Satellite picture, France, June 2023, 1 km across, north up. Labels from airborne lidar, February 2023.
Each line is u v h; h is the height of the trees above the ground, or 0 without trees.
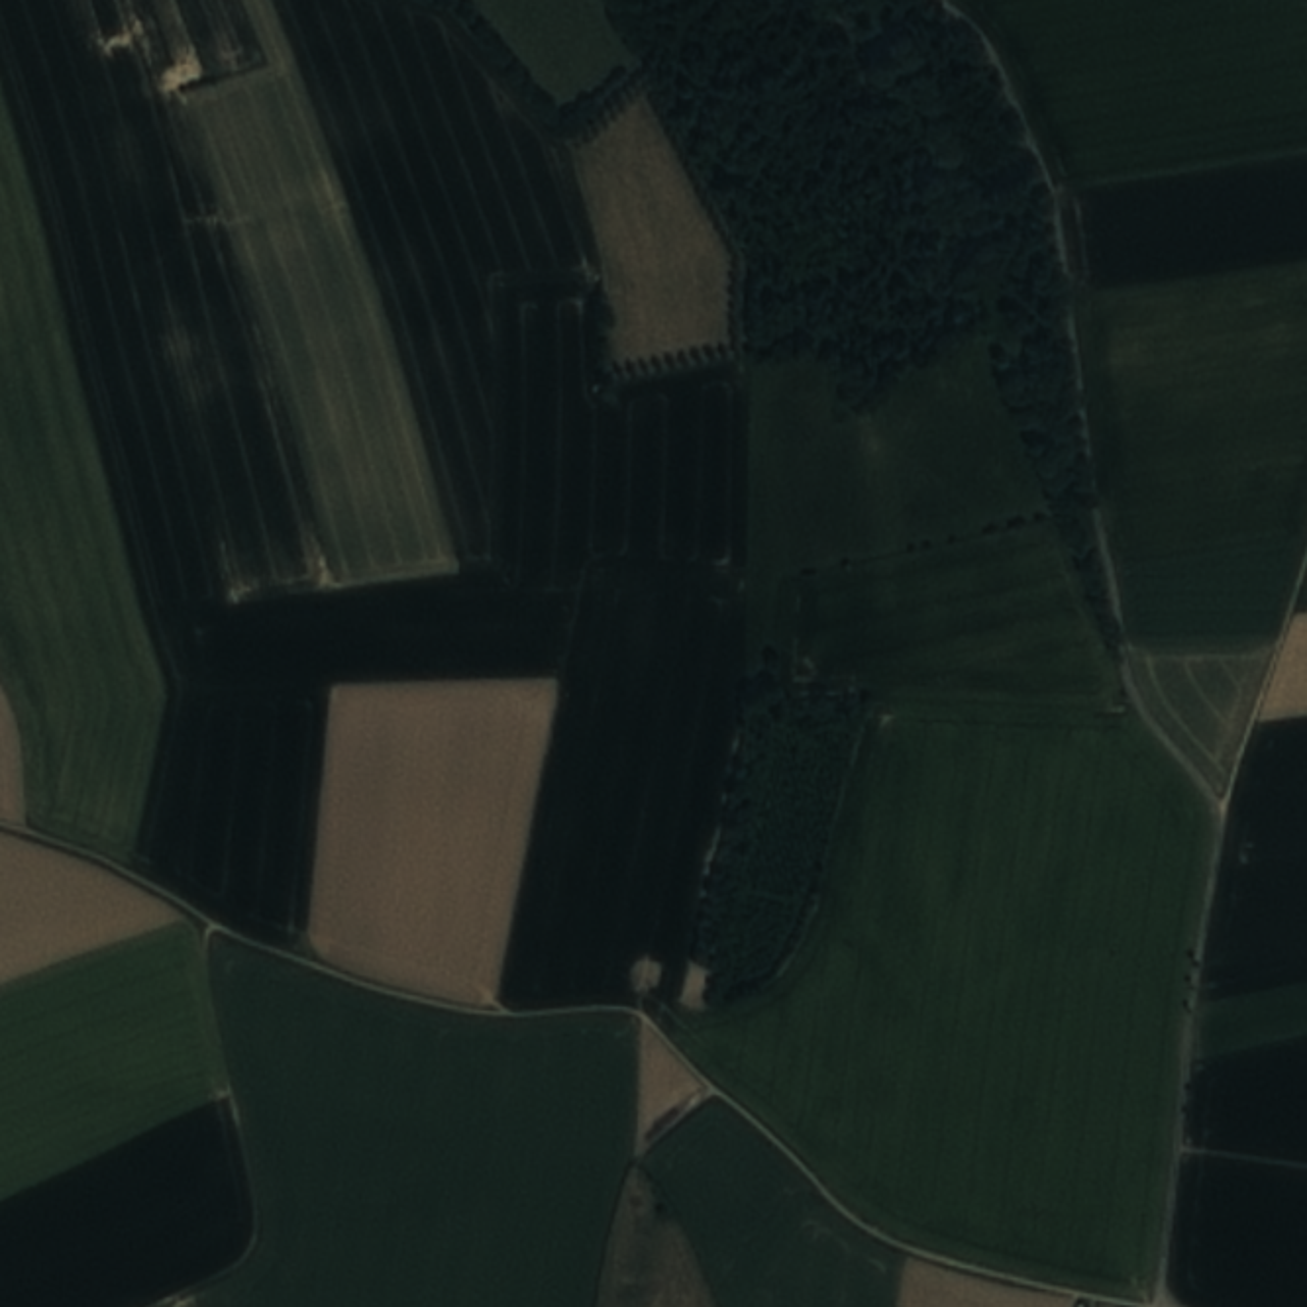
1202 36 0
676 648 0
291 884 0
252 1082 0
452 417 0
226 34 0
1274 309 0
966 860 0
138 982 0
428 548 0
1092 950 0
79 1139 0
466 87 0
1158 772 0
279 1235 0
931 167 31
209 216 0
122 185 0
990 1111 0
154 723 0
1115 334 0
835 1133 0
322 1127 0
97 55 0
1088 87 0
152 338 0
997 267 24
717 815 0
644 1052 0
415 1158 0
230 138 0
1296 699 0
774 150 22
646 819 0
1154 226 0
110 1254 0
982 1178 0
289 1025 0
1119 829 0
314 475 0
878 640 0
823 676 0
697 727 0
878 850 0
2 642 0
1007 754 0
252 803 0
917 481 0
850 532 0
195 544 0
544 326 0
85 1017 0
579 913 0
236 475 0
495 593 0
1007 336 0
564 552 0
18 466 0
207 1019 0
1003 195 28
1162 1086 0
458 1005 0
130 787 0
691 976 0
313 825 0
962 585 0
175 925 0
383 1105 0
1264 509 0
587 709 0
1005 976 0
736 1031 0
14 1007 0
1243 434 0
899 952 0
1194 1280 0
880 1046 0
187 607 0
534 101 12
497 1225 0
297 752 0
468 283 0
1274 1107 0
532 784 0
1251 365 0
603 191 0
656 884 0
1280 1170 0
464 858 0
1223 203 0
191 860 0
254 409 0
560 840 0
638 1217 0
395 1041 0
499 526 0
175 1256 0
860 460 0
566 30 0
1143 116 0
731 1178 0
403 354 0
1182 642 0
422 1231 0
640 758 0
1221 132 0
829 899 0
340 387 0
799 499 0
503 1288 0
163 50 0
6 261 0
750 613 0
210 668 0
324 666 0
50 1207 0
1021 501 0
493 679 0
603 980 0
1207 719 0
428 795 0
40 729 0
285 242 0
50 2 0
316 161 0
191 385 0
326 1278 0
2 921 0
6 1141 0
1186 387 0
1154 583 0
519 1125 0
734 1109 0
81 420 0
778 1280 0
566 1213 0
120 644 0
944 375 0
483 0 0
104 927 0
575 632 0
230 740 0
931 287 17
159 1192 0
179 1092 0
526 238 0
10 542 0
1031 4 0
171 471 0
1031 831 0
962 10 0
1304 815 0
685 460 0
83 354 0
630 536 0
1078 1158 0
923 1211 0
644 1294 0
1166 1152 0
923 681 0
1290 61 0
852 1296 0
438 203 0
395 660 0
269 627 0
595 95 7
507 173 0
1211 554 0
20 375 0
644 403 0
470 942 0
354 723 0
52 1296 0
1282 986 0
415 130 0
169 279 0
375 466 0
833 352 24
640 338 0
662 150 0
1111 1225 0
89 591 0
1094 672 0
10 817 0
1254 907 0
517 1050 0
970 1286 0
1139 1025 0
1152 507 0
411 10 0
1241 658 0
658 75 18
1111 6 0
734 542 0
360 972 0
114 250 0
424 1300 0
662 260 0
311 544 0
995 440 0
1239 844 0
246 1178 0
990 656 0
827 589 0
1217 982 0
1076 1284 0
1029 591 0
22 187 0
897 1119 0
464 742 0
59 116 0
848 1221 0
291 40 0
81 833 0
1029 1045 0
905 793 0
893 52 30
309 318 0
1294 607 0
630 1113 0
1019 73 0
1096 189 0
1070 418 23
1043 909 0
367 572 0
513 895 0
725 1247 0
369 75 0
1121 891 0
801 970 0
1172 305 0
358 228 0
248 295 0
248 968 0
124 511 0
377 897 0
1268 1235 0
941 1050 0
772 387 0
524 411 0
